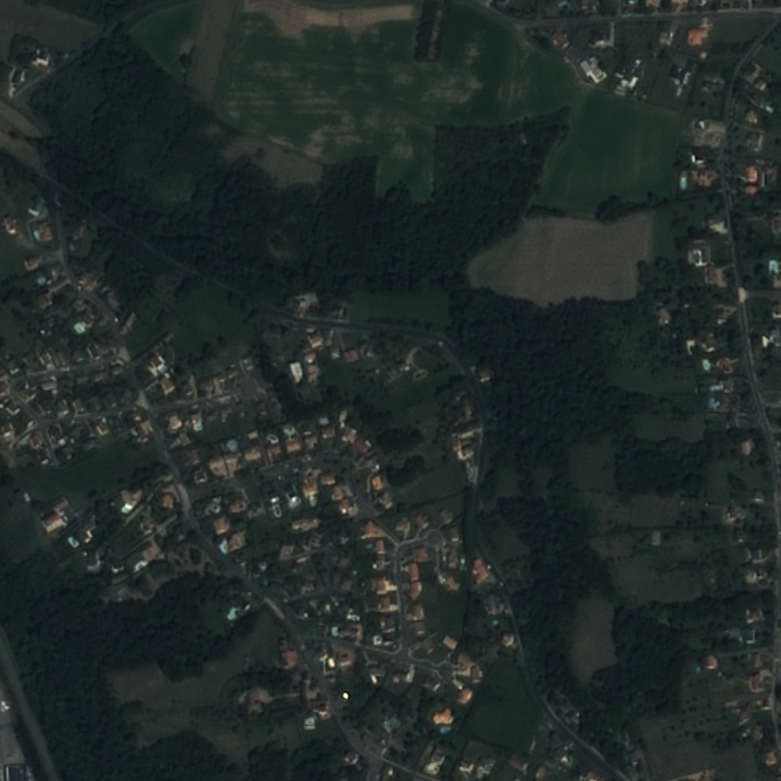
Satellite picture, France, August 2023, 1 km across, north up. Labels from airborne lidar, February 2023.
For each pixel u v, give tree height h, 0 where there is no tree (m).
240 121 0
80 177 26
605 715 9
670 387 0
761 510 13
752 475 0
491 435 12
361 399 8
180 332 0
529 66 0
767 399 0
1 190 0
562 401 18
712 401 0
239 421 0
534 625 10
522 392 9
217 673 0
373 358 0
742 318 0
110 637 23
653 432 0
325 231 19
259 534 0
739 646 10
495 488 9
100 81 6
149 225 19
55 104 6
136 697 0
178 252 20
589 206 0
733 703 0
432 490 0
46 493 0
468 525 9
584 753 0
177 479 0
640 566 0
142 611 20
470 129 7
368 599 0
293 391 13
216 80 0
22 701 0
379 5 0
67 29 0
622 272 0
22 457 0
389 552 0
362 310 0
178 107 6
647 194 0
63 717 19
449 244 12
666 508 0
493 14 0
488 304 27
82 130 8
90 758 17
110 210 20
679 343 8
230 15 0
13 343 0
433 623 0
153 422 0
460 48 0
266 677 8
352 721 13
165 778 14
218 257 25
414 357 0
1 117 0
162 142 8
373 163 6
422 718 9
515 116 0
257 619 14
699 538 6
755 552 0
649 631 25
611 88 0
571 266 0
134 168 6
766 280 12
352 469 6
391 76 0
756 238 19
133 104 7
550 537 12
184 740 12
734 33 0
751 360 0
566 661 15
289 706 6
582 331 19
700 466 7
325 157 0
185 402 0
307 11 0
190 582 19
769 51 0
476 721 0
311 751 13
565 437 18
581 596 11
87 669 17
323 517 7
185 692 0
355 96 0
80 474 0
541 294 0
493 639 8
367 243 15
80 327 0
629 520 0
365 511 0
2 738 0
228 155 0
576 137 0
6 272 0
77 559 0
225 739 0
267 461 0
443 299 0
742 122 0
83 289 0
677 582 0
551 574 23
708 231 7
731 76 7
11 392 0
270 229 6
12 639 8
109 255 0
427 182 0
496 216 16
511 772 0
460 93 0
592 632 0
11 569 7
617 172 0
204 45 0
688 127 0
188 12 0
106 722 14
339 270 18
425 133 0
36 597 7
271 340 0
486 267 0
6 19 0
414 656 0
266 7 0
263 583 10
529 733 0
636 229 0
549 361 20
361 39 0
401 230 7
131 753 10
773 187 0
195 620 18
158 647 24
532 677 0
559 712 6
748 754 0
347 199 16
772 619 12
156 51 0
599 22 0
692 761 0
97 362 0
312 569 0
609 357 8
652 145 0
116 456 0
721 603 8
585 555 18
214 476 7
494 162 6
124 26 10
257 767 17
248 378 0
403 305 0
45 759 0
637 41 0
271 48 0
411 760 15
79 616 18
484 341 27
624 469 18
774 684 0
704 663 6
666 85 0
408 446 15
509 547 0
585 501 0
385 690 10
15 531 0
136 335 0
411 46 0
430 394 0
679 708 12
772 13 0
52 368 0
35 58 8
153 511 7
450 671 0
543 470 0
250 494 0
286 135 0
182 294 15
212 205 7
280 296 0
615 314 10
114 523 6
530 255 0
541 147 10
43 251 0
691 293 6
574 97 0
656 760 0
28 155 0
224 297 0
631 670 15
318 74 0
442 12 0
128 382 6
